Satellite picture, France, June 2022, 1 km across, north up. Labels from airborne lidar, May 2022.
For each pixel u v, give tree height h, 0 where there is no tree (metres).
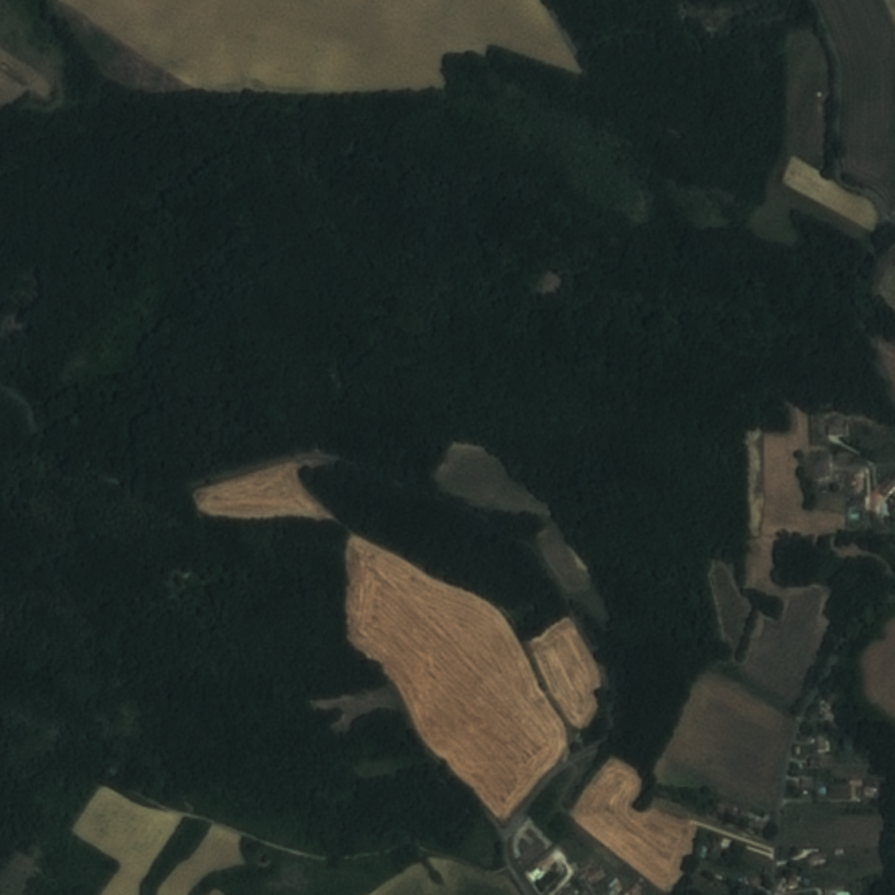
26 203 24
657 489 17
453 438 15
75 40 14
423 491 13
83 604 16
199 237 14
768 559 0
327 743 12
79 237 23
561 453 15
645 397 12
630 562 16
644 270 25
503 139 12
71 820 11
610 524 17
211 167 24
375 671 20
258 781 12
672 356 13
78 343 18
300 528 14
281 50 0
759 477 0
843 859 0
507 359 14
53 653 14
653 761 17
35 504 23
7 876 0
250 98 24
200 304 25
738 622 0
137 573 20
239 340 18
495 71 10
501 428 16
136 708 7
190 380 22
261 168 24
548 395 13
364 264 26
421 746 8
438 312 19
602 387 14
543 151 12
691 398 16
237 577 17
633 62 19
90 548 24
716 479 11
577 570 0
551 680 0
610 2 22
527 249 21
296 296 22
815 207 0
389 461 15
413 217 24
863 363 15
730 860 18
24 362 23
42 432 5
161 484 22
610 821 0
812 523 0
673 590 7
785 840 0
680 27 13
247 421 13
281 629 21
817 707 10
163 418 25
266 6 0
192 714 16
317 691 17
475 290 18
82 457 15
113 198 24
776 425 15
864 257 14
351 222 26
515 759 0
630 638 12
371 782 10
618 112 14
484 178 22
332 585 15
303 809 13
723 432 14
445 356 18
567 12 16
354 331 22
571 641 0
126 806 0
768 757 0
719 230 9
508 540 21
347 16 0
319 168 20
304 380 12
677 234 14
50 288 25
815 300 27
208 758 15
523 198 32
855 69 0
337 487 15
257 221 21
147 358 25
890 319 15
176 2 0
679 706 12
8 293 22
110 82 13
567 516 21
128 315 7
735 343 19
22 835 6
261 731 21
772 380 18
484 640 0
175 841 8
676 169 13
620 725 15
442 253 21
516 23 0
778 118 18
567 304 18
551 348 13
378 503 21
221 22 0
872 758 15
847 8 0
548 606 17
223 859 0
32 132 21
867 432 9
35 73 0
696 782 0
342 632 16
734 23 13
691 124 21
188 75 0
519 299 19
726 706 0
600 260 26
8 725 11
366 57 0
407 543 11
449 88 9
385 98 9
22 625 12
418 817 19
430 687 0
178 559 23
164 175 24
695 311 19
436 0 0
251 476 0
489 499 0
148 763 7
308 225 26
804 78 0
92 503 25
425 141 17
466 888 0
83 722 11
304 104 15
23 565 22
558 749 0
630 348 24
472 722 0
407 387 22
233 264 28
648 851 0
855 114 0
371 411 18
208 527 10
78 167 24
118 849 0
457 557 16
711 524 20
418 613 0
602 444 17
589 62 15
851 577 10
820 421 0
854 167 0
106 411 25
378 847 8
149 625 20
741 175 16
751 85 14
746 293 26
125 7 0
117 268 22
